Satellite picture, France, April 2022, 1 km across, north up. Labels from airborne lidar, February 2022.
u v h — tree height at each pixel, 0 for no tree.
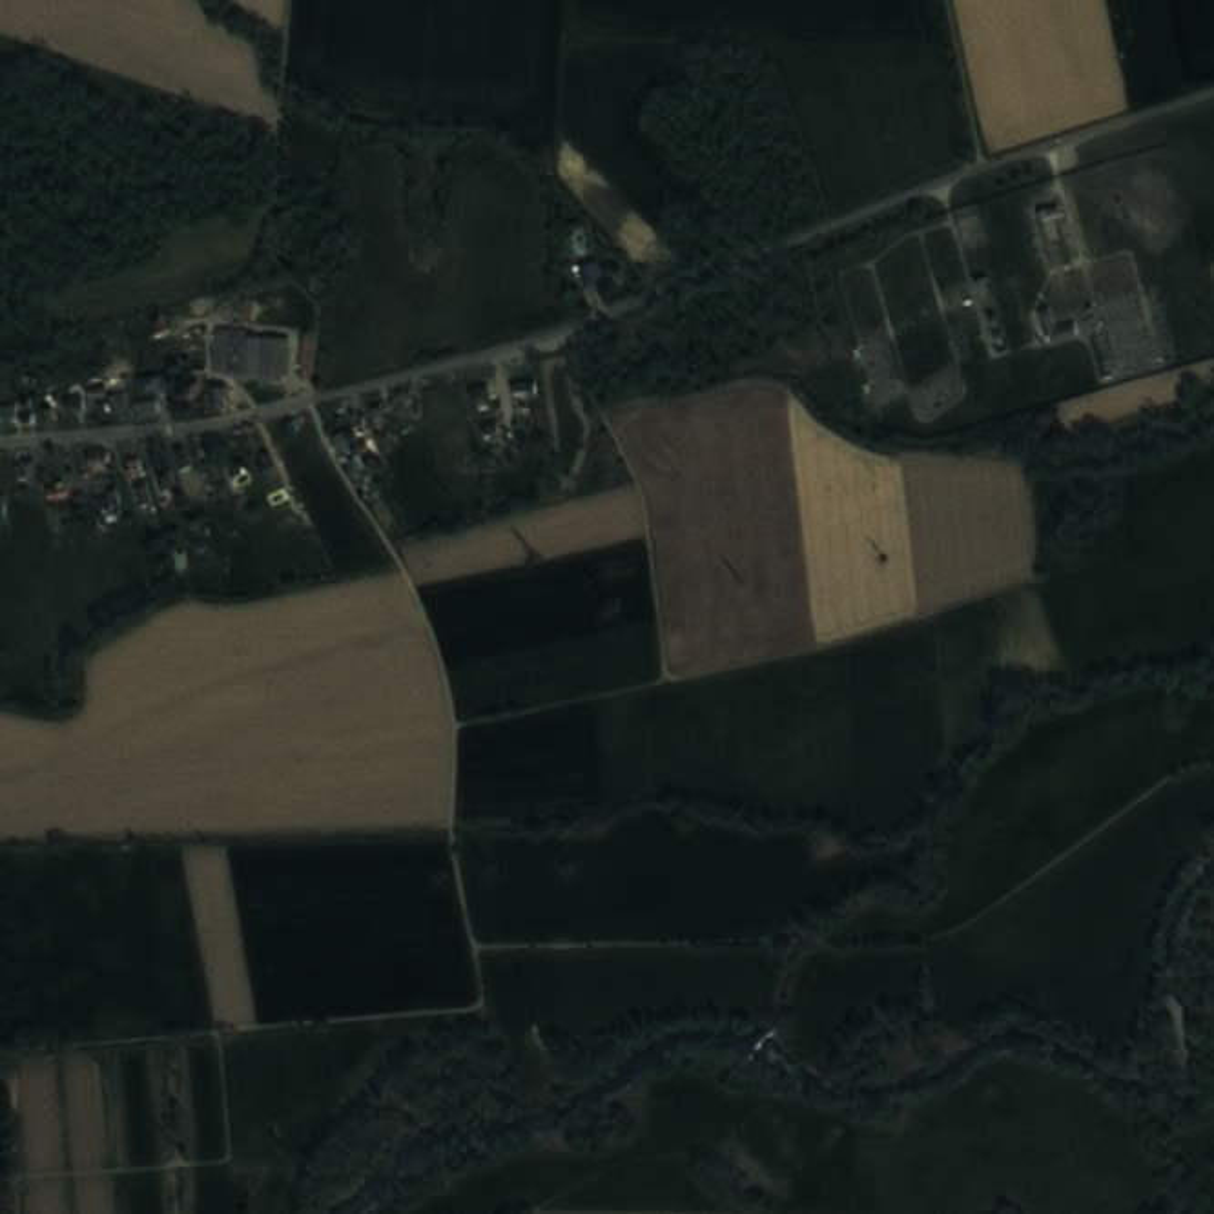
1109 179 0
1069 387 0
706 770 0
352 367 0
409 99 0
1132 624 0
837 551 0
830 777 0
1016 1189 0
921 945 13
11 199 9
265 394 0
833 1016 0
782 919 0
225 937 0
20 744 0
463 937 0
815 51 0
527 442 17
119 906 0
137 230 24
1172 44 0
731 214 21
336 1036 0
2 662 0
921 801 0
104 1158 0
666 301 18
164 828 0
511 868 0
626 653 0
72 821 0
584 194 0
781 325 21
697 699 0
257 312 0
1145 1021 14
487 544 0
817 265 12
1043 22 0
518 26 0
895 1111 24
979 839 0
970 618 0
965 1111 0
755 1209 18
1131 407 0
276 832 0
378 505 0
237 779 0
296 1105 0
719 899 0
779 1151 0
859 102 0
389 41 0
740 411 0
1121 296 0
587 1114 16
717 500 0
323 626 0
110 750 0
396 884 0
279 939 0
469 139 7
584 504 0
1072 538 25
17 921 0
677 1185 0
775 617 0
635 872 0
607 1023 0
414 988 0
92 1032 0
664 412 0
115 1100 6
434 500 0
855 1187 0
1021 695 33
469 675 0
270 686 0
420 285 0
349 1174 19
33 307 22
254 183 17
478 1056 22
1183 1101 21
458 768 0
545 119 0
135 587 0
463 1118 13
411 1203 20
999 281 0
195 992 0
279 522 0
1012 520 0
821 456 0
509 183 0
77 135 17
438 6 0
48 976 0
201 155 21
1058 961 0
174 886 0
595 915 0
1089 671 0
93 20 0
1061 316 0
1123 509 21
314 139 0
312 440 0
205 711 0
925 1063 14
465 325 0
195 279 0
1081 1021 0
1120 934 0
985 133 0
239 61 0
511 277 0
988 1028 13
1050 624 0
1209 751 0
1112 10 0
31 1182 0
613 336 18
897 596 0
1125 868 0
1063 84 0
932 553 0
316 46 0
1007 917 0
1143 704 0
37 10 0
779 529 0
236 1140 0
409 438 0
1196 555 0
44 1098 0
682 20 0
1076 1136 0
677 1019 16
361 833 0
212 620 0
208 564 0
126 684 0
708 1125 0
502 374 0
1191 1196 22
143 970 0
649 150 0
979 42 0
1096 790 0
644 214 0
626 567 0
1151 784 0
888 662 0
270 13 0
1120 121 0
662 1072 19
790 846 0
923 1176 0
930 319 0
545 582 0
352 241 17
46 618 0
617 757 0
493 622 0
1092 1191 0
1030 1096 0
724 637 0
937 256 0
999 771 0
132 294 0
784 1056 13
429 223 0
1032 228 0
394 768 0
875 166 0
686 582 0
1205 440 14
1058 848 0
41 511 0
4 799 0
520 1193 0
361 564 0
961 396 0
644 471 0
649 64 0
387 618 0
